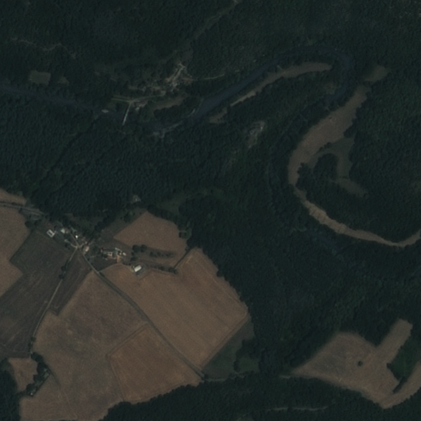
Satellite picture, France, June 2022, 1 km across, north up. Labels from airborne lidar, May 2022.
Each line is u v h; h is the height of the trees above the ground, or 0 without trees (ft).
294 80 47
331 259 57
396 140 29
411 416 64
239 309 0
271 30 21
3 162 96
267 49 35
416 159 34
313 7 40
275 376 31
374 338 71
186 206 32
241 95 32
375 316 63
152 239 0
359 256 101
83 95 84
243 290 64
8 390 54
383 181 42
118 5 65
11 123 111
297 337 39
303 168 29
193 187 75
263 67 0
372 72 0
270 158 79
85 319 0
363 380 0
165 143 51
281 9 38
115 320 0
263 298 59
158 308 0
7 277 0
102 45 64
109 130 62
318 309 59
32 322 0
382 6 39
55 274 0
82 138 69
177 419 39
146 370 0
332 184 30
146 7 53
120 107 78
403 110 37
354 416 61
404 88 42
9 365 0
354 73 57
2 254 0
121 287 0
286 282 71
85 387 0
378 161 31
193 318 0
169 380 0
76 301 0
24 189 55
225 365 0
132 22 50
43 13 63
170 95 50
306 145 0
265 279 60
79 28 62
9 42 51
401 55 46
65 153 59
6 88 0
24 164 95
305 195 0
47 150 73
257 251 68
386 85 86
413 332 57
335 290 64
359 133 56
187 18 32
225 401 39
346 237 68
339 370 0
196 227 55
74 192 82
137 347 0
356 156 42
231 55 40
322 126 0
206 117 55
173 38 49
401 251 62
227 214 59
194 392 43
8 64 75
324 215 0
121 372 0
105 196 68
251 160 58
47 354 0
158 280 0
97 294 0
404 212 50
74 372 0
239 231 70
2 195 0
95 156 52
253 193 55
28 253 0
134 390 0
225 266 56
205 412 49
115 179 91
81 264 0
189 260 0
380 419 42
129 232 0
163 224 0
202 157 102
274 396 62
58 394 0
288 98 36
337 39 66
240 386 42
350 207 37
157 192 106
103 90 31
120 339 0
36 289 0
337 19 37
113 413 52
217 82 57
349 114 0
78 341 0
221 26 56
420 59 55
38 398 0
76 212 93
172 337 0
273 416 68
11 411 29
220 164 21
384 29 35
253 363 0
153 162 81
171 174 66
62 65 42
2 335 0
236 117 47
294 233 84
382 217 48
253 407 35
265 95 50
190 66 31
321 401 51
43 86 60
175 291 0
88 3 59
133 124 38
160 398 34
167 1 50
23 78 84
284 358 29
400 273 78
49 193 56
